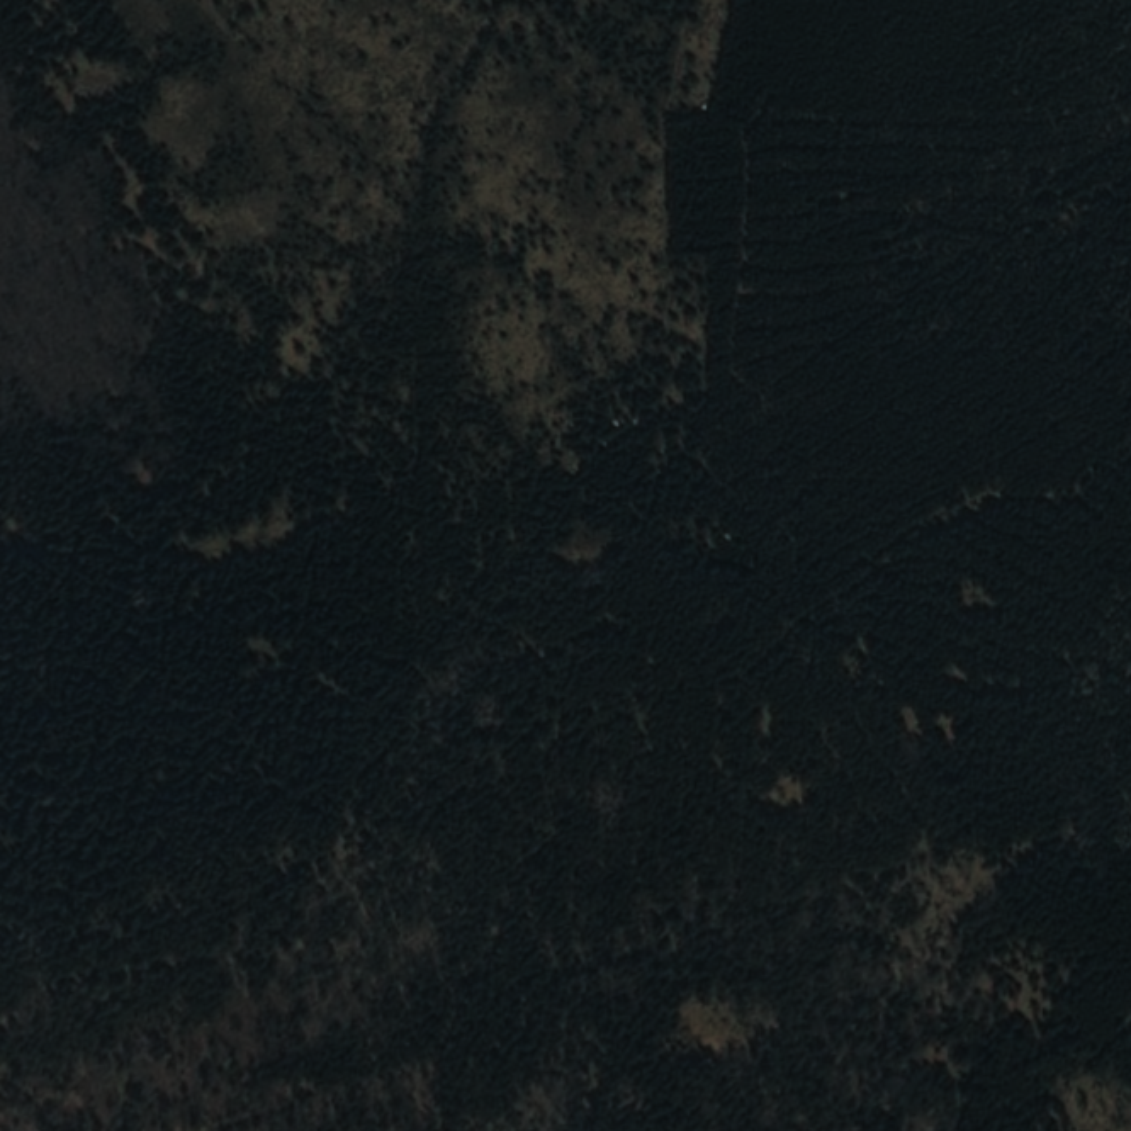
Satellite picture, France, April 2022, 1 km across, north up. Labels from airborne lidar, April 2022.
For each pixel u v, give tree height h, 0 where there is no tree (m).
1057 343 19
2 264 15
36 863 15
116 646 23
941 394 22
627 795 26
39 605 19
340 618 14
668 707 24
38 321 16
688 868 24
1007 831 19
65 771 22
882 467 16
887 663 21
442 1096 16
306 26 0
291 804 17
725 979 25
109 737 24
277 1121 20
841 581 21
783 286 18
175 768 15
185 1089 12
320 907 20
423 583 10
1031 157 23
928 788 26
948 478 18
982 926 12
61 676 24
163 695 20
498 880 28
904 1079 23
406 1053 28
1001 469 19
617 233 0
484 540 10
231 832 20
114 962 22
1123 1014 15
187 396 14
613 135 0
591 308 0
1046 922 22
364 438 11
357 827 9
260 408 13
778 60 14
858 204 19
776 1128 21
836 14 18
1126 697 26
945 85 21
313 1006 17
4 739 23
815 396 20
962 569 22
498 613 19
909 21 19
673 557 17
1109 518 15
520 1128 30
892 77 18
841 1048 22
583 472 9
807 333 16
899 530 21
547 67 0
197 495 14
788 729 23
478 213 0
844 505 19
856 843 21
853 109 17
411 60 0
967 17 19
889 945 27
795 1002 24
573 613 21
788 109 17
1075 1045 22
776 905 23
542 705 20
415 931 20
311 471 13
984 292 17
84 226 11
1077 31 24
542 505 14
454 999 29
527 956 27
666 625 22
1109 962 26
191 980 25
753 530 19
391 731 17
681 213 12
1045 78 25
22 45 12
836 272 18
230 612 20
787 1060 28
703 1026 0
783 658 23
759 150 15
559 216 0
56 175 13
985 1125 15
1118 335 18
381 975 20
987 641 23
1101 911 29
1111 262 15
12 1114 12
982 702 23
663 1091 25
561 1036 23
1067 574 22
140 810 24
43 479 22
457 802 26
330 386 11
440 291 8
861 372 16
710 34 0
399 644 14
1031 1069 23
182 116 0
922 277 21
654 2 10
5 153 14
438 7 0
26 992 15
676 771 21
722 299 11
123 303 14
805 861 21
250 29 0
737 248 12
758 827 26
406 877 22
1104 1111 17
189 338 12
